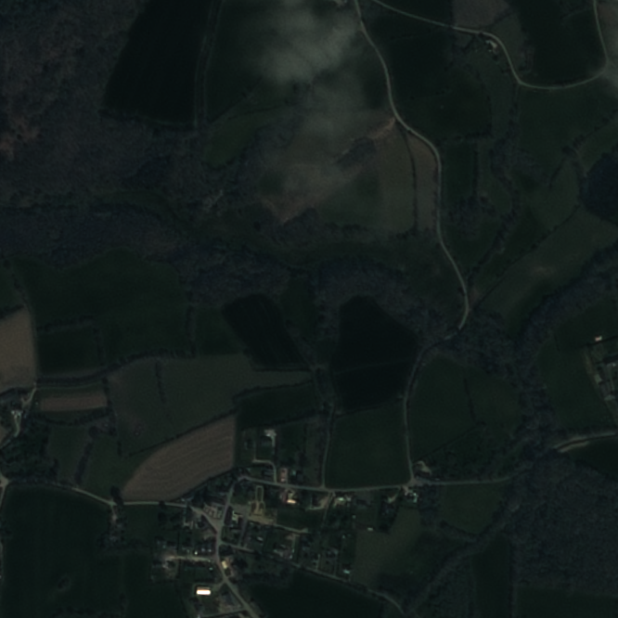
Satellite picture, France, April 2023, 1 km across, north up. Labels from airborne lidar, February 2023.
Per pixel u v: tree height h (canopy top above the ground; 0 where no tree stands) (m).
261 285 15
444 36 0
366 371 0
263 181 0
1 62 15
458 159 0
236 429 0
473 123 0
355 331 0
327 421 16
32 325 0
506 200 0
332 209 0
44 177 22
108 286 0
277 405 0
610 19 0
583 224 0
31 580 0
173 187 20
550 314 23
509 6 14
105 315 0
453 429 0
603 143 0
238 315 0
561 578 17
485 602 0
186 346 0
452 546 0
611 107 0
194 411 0
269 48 0
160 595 0
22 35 18
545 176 9
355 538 0
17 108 0
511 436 0
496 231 0
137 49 0
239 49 0
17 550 0
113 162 22
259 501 0
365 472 0
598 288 21
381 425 0
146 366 0
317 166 0
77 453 0
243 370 0
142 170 26
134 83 0
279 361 0
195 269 14
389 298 24
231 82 0
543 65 0
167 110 0
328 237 20
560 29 0
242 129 0
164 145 22
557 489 16
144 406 0
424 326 17
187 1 0
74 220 16
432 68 0
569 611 0
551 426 20
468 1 0
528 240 0
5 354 0
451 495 0
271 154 16
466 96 0
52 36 9
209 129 16
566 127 0
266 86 0
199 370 0
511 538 23
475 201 11
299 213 0
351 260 0
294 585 0
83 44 7
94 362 0
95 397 0
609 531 13
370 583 0
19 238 15
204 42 0
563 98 0
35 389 0
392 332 0
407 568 0
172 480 0
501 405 0
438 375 0
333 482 0
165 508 9
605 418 0
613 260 23
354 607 0
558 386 0
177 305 0
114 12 14
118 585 0
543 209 0
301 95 7
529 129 0
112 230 16
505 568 0
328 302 21
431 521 15
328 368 0
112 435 12
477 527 0
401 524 0
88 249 15
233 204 20
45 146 20
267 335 0
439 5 0
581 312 9
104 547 13
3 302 0
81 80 21
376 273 24
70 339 0
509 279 0
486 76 0
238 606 0
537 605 0
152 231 16
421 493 6
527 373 20
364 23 13
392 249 0
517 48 0
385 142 0
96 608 0
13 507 0
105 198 0
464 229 10
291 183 0
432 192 0
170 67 0
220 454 0
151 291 0
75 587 0
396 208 0
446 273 0
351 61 0
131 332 0
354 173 0
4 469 10
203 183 22
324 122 0
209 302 12
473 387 0
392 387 0
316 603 0
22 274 0
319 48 0
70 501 0
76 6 13
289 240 19
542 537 17
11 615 0
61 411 0
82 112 24
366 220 0
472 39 7
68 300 0
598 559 15
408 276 7
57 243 7
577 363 0
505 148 14
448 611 7
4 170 19
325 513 0
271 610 0
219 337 0
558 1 7
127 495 0
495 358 18
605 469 0
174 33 0
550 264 0
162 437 0
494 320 17
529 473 9
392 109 13
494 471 8
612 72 7
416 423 0
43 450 10
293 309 0
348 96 0
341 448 0
